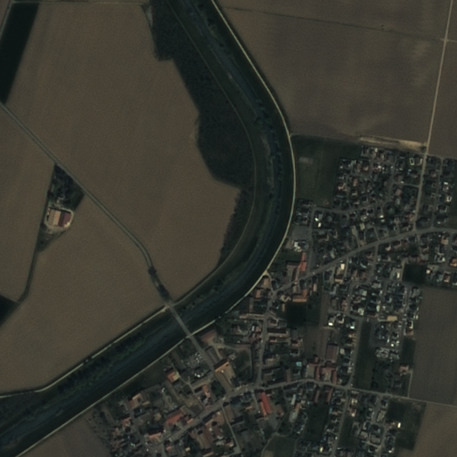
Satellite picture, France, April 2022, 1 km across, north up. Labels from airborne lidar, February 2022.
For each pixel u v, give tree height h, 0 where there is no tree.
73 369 0
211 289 0
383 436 0
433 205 0
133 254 0
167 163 0
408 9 0
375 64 0
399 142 0
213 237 0
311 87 0
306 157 0
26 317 0
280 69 0
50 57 0
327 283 0
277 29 0
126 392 0
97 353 0
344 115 0
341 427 0
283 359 0
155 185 0
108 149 0
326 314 0
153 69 0
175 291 0
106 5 0
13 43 0
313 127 0
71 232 0
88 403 0
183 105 0
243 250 0
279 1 0
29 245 0
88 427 0
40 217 0
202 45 0
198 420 0
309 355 0
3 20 0
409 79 0
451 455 0
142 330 0
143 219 0
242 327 12
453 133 0
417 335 0
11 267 0
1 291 0
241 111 0
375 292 0
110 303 0
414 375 0
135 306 0
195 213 0
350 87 0
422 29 0
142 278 0
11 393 0
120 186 0
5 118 0
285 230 0
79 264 0
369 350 0
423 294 0
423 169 0
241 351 0
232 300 0
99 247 0
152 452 0
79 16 0
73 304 0
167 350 0
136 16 0
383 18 0
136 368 0
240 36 0
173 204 0
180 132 0
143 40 0
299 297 0
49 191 0
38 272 0
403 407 0
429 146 0
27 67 0
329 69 0
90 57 0
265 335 0
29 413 17
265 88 0
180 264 0
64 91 0
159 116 0
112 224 0
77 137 0
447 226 0
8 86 0
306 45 0
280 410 0
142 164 0
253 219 0
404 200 6
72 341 0
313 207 0
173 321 0
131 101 0
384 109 0
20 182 0
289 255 0
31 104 0
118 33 0
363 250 0
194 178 0
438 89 0
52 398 0
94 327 0
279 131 0
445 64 0
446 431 0
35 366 0
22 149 0
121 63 0
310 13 0
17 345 0
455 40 0
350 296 0
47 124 0
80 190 0
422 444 0
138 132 0
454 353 0
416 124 0
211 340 0
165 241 0
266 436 0
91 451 0
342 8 0
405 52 0
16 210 0
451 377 0
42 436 0
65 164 0
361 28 0
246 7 0
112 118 0
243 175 15
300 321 0
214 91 16
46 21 0
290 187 0
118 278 0
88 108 0
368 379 0
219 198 0
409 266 0
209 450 0
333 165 0
